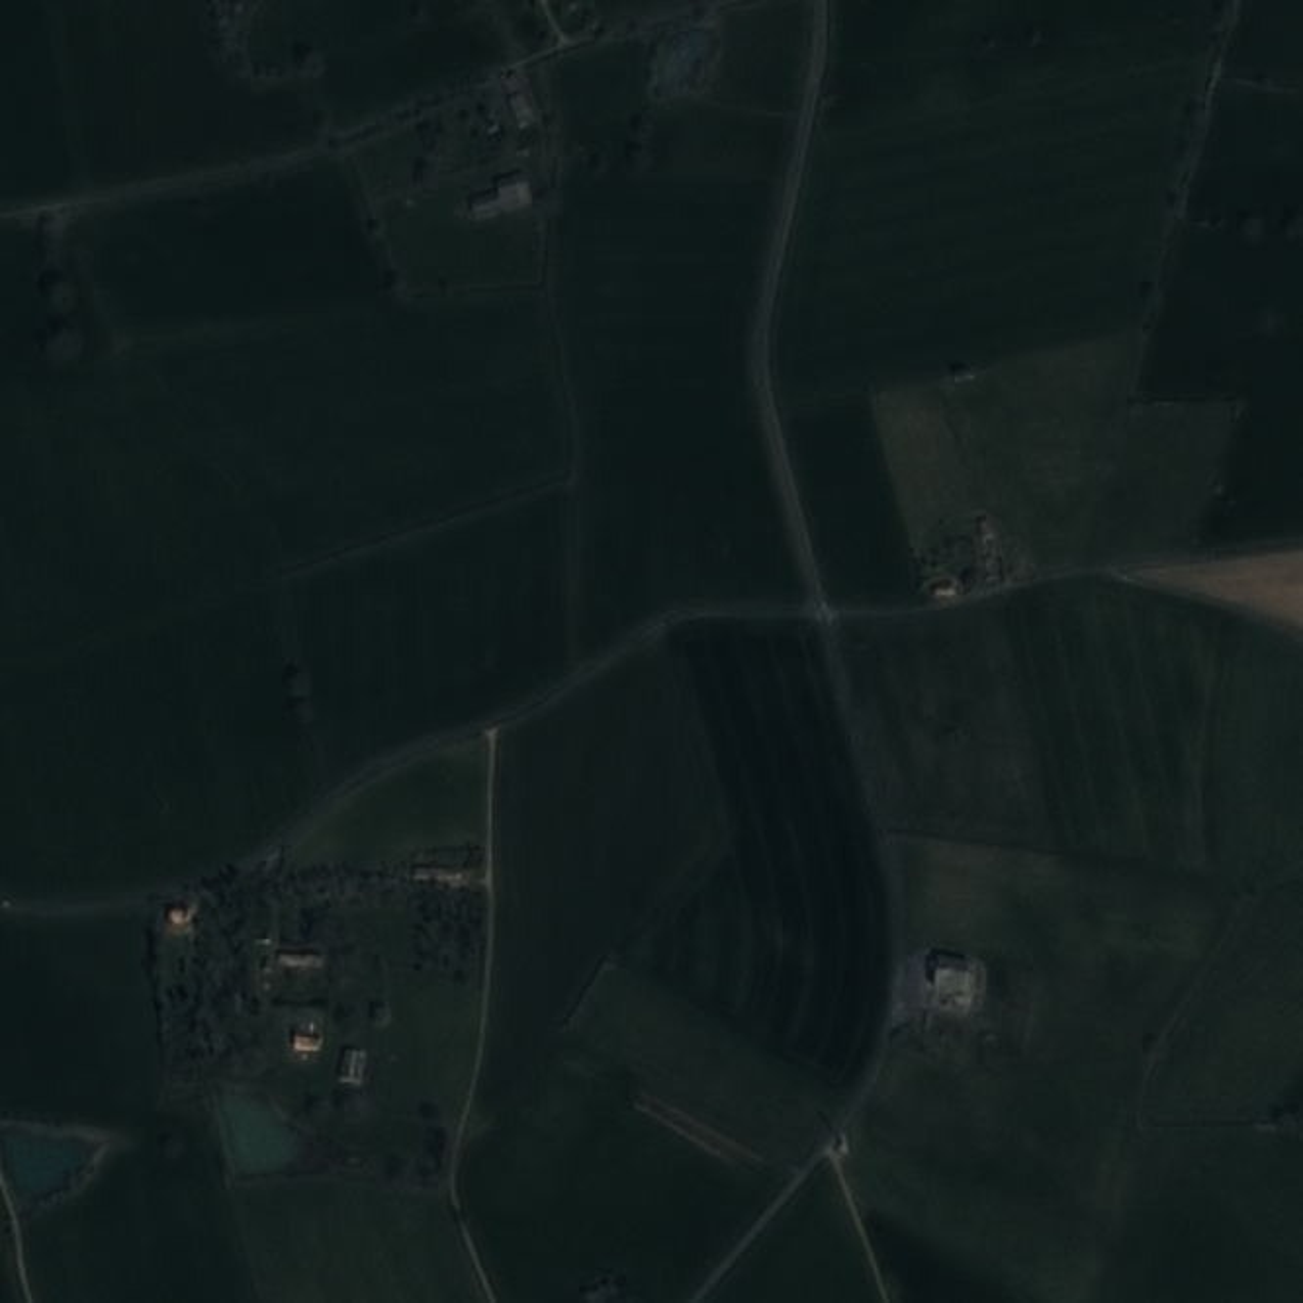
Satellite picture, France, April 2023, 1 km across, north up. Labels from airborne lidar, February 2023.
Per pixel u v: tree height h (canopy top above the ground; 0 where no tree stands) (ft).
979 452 0
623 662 0
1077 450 0
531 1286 0
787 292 0
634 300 0
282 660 0
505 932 0
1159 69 0
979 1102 0
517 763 0
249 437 0
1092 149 0
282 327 0
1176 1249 0
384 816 0
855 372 0
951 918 0
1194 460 0
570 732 0
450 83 0
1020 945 0
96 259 0
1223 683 0
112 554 0
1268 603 0
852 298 0
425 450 0
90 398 0
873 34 0
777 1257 0
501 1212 0
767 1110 0
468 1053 0
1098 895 0
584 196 0
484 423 0
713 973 0
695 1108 0
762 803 0
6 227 0
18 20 0
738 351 0
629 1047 0
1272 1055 0
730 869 0
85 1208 0
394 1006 0
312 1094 0
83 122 0
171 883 0
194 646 0
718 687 0
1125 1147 0
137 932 0
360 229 0
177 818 0
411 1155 0
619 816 0
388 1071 0
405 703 0
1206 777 0
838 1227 0
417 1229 0
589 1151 0
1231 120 0
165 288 0
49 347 55
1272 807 0
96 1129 0
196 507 0
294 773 0
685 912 0
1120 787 0
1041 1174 0
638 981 0
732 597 0
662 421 0
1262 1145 0
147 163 0
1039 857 0
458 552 0
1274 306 0
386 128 33
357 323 0
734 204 0
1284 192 0
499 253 0
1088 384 0
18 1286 0
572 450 0
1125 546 0
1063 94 0
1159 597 0
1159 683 0
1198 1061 0
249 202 0
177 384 0
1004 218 0
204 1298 0
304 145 0
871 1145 0
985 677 0
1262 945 0
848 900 0
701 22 38
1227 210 0
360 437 0
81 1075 0
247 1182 0
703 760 0
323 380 0
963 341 0
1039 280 0
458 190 0
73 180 0
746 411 0
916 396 0
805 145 0
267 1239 0
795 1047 0
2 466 0
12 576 0
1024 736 0
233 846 0
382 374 0
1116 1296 0
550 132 31
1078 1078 0
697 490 0
